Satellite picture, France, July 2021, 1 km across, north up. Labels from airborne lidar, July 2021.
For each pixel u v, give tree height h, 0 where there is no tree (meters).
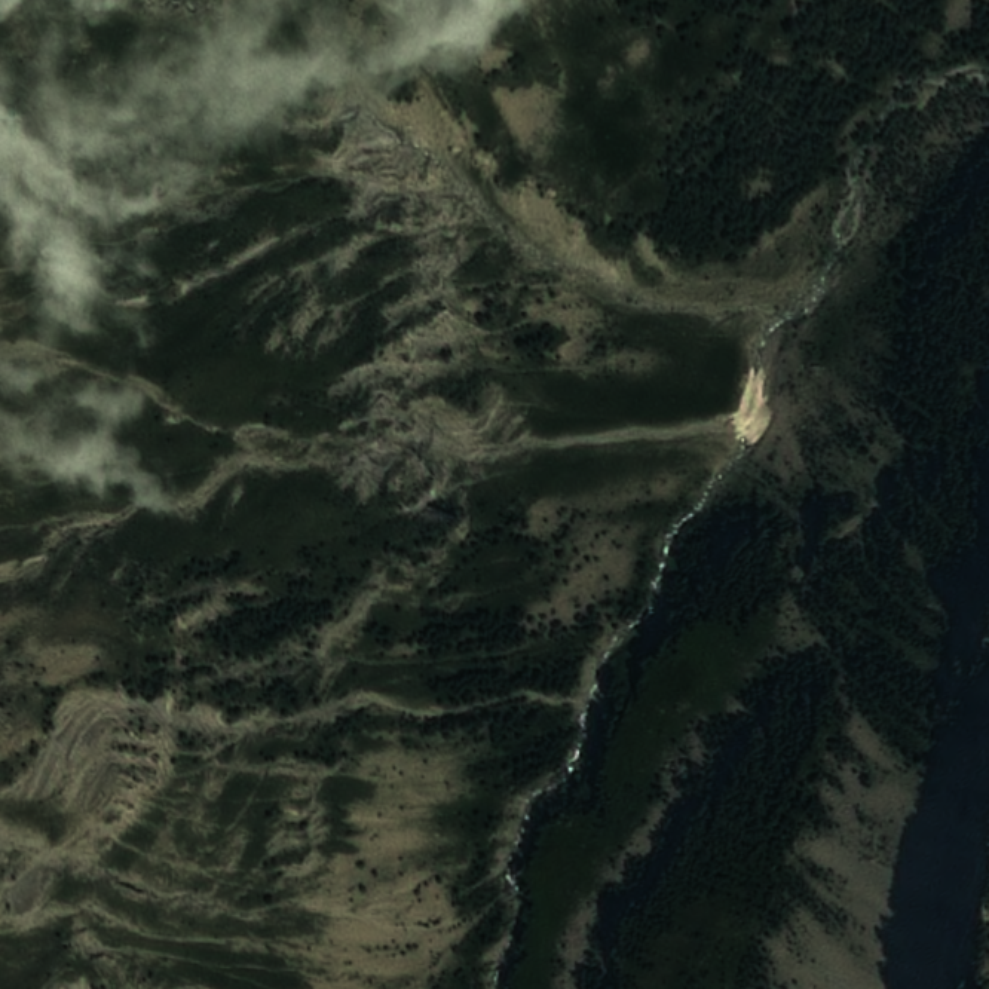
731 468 0
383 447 0
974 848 0
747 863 9
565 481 0
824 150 20
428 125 0
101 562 0
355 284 0
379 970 0
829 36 20
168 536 0
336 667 0
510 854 0
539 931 0
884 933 0
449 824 0
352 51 0
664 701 0
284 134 0
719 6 10
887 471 0
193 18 0
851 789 0
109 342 0
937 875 0
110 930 0
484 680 17
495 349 0
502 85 0
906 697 9
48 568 0
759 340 0
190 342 0
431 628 13
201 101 0
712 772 10
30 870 0
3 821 0
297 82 0
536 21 0
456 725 18
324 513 0
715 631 0
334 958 0
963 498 17
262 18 0
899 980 0
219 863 0
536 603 0
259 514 0
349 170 0
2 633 0
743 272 0
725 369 0
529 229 0
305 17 0
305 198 0
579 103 0
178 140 0
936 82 0
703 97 16
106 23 0
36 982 0
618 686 12
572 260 0
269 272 0
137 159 11
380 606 0
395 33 0
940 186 18
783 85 15
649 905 10
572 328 0
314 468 0
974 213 22
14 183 0
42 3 0
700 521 7
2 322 0
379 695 0
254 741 0
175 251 0
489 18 7
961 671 7
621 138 0
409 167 0
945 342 25
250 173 0
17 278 0
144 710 0
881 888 0
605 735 19
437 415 0
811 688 13
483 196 0
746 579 19
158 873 0
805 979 0
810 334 0
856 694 7
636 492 0
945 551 9
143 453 0
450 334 0
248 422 0
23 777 0
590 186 0
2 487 0
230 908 0
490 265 0
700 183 20
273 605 8
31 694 0
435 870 0
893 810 0
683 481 0
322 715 0
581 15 0
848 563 10
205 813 0
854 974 0
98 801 0
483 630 18
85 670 0
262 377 0
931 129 8
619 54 0
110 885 0
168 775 0
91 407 0
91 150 0
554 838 0
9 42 0
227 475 0
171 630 9
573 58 0
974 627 14
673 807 7
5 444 0
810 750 14
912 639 9
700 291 0
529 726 14
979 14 18
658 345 0
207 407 0
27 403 0
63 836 0
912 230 11
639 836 0
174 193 0
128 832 0
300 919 0
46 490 0
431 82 0
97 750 0
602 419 0
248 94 0
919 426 26
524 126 0
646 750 0
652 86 0
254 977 0
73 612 0
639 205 0
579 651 6
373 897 0
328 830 0
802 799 9
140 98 0
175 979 0
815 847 0
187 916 0
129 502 0
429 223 0
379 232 0
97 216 0
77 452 0
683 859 13
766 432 0
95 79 0
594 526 0
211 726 0
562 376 0
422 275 0
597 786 12
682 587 14
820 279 0
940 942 0
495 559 0
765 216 27
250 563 0
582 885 0
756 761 19
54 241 0
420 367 0
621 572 0
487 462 0
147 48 0
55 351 0
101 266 0
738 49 12
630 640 0
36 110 0
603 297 0
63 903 0
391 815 0
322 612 15
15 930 0
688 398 0
